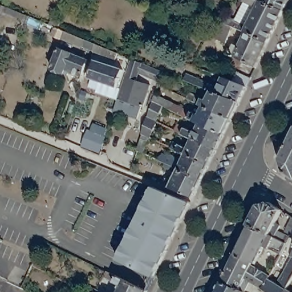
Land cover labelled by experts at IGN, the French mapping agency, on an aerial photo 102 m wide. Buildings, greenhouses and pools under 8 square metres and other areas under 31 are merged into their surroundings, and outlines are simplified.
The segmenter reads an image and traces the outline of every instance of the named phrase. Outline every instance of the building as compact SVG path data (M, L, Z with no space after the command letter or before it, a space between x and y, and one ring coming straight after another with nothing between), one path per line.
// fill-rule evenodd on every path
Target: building
M99 127L94 124L86 135L80 137L80 147L84 151L98 155L103 154L100 144L104 144L104 125Z
M292 125L287 129L283 143L276 152L278 171L292 172Z
M124 279L109 276L106 271L104 278L97 278L97 284L91 286L90 292L147 292L132 286Z
M242 218L240 222L243 224L242 233L220 273L221 278L212 286L212 292L292 292L292 248L283 267L279 268L277 276L255 268L254 263L258 261L254 258L259 249L265 248L266 245L270 251L274 251L273 257L279 257L286 240L291 237L292 240L292 217L286 216L274 205L262 202L253 204L246 219Z
M187 202L148 187L115 250L113 261L116 265L136 271L140 276L152 277L164 261L165 254L177 234L178 226L185 220L186 212L182 211L182 208Z
M46 33L50 42L55 39L64 41L68 47L117 59L121 64L119 68L91 59L90 65L86 68L86 58L55 49L48 59L47 72L62 74L65 78L74 78L80 82L87 76L90 80L119 89L119 94L114 99L115 106L112 108L112 112L123 111L127 114L128 121L135 124L140 121L141 115L148 112L144 124L140 123L140 140L151 139L156 128L154 117L159 111L164 116L178 116L179 120L192 122L192 130L178 128L180 138L186 139L185 145L168 145L162 149L163 154L157 157L164 172L161 175L165 187L187 197L192 193L196 181L201 184L202 182L229 125L233 123L233 120L248 90L249 76L253 74L254 68L261 65L261 58L267 52L271 36L283 19L283 10L292 10L292 0L242 0L235 18L228 18L222 23L217 40L225 49L229 49L228 57L232 60L238 68L235 75L213 75L197 74L190 72L182 79L193 84L195 91L202 89L205 94L202 98L195 98L193 104L197 108L193 114L185 113L184 108L162 99L160 89L154 87L153 104L148 108L143 105L147 84L133 81L132 76L146 79L147 76L155 80L155 75L159 73L156 66L143 57L128 62L127 58L116 52L91 42L59 30L60 25L58 22L50 23L36 22L33 18L5 8L6 14L16 18L15 25L27 25Z

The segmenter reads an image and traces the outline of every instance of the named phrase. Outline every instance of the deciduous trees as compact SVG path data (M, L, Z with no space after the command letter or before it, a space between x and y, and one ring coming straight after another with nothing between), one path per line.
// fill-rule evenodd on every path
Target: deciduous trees
M23 109L19 115L13 113L13 121L26 130L39 132L46 121L43 119L43 113L36 113L34 109L32 112L26 112L26 109Z
M176 50L182 50L192 50L204 42L217 40L222 23L228 18L235 18L242 0L128 0L130 3L141 3L147 8L144 13L146 21L165 25L170 33L177 38Z
M206 184L202 182L201 184L202 194L206 198L221 200L224 195L222 184L214 184L213 181Z
M175 292L180 285L179 274L172 270L163 270L157 276L157 281L163 292Z
M17 55L22 55L26 49L25 35L29 31L27 25L15 25L13 29L17 35Z
M8 71L10 66L11 42L8 36L0 34L0 74Z
M265 129L271 135L276 135L285 129L289 120L282 112L273 111L265 116Z
M248 137L251 129L249 120L233 120L233 123L236 136Z
M97 15L99 0L56 0L55 8L48 7L47 17L50 23L58 22L60 25L65 22L64 18L70 15L76 18L76 21L91 24Z
M154 87L160 89L164 88L181 96L192 92L194 94L195 91L193 84L182 79L163 75L155 80Z
M263 78L275 81L281 72L281 65L267 62L261 65Z
M230 221L233 225L240 222L242 218L243 206L240 202L230 201L226 208L222 208L222 220Z
M114 40L97 38L91 42L116 52L127 58L128 62L143 57L140 56L140 51L146 46L146 42L141 41L139 34L135 33L122 34L121 39L115 36Z
M218 241L210 241L205 244L205 257L208 255L210 259L219 260L224 257L224 246Z
M238 68L232 60L227 63L219 62L217 56L205 57L208 72L213 75L235 75Z
M22 81L22 86L26 89L24 103L33 103L32 97L44 97L48 90L58 91L60 95L64 91L65 78L62 74L47 72L44 75L44 86L41 88L36 86L35 81Z
M31 265L39 266L46 271L49 278L54 277L56 271L50 268L51 253L38 246L34 246L34 250L30 251Z
M47 292L40 289L38 282L27 277L27 273L24 273L19 282L19 286L26 292Z
M123 130L127 127L128 121L127 114L123 111L112 112L107 113L107 122L104 125L104 144L108 144L109 137L112 136L112 127Z
M185 222L186 232L190 236L202 237L206 232L205 218L192 218Z

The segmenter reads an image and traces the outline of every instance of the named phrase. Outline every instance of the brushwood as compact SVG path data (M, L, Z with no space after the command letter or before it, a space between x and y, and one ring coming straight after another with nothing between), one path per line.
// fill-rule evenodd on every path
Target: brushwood
M56 248L59 261L64 262L68 277L75 273L70 262L71 255L75 257L76 253L44 237L40 238L38 246L51 253L51 249Z
M47 17L30 13L16 5L13 0L0 0L0 2L5 8L33 18L36 22L50 23Z
M197 68L197 74L213 75L208 72L205 57L201 55L204 42L192 50L182 50L185 54L184 60L186 65Z
M133 152L130 162L138 164L141 172L161 175L164 172L157 157L163 154L162 149L159 145L152 144L151 139L140 140L137 147L125 145L123 152Z
M73 227L76 234L79 233L94 203L94 198L90 196L86 202L81 202L82 210Z
M76 120L81 116L89 116L94 99L86 97L87 89L81 87L80 82L74 78L65 78L64 91L60 95L54 117L49 124L50 136L65 140L70 129L75 127Z
M89 31L65 22L60 25L59 30L91 42L97 38L114 40L115 36L115 33L109 30Z
M0 131L35 145L43 151L68 155L73 164L70 173L67 173L71 178L88 178L90 169L95 168L95 161L0 123Z

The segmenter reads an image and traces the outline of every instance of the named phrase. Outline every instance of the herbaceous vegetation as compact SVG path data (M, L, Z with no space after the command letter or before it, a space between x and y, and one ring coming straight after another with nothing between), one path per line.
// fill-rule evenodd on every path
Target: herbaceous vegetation
M184 108L185 113L193 114L197 108L193 104L195 98L202 98L205 94L202 89L195 91L194 94L192 92L181 96L164 88L160 89L162 99Z
M75 273L68 277L64 262L59 261L56 248L51 249L51 253L50 268L56 271L54 277L49 278L46 271L39 266L31 265L27 273L27 277L38 282L40 289L47 292L90 292L91 286L97 284L97 278L104 278L106 271L95 269L89 263L75 257L71 255L70 262Z
M100 98L94 120L91 120L94 124L99 127L104 125L107 122L107 113L112 112L112 108L105 105L108 97Z
M65 22L89 31L109 30L115 33L115 36L121 39L122 34L135 33L139 34L141 41L146 42L151 41L155 32L160 30L165 35L170 33L165 25L146 21L144 13L147 8L141 3L130 3L128 0L99 0L97 15L91 24L76 21L76 18L70 15L64 18Z
M16 5L30 13L47 17L48 7L55 8L56 0L13 0Z
M121 64L117 59L68 47L64 41L55 39L50 42L46 33L27 25L29 31L25 35L26 49L22 55L17 55L17 35L13 29L15 25L16 18L6 14L5 8L0 2L0 34L8 36L11 42L10 66L8 71L0 74L0 116L13 121L13 113L19 115L23 109L26 109L26 112L32 112L34 109L36 113L43 113L43 119L46 121L39 132L50 136L49 124L54 117L60 95L58 91L48 90L44 97L32 97L33 103L24 103L26 89L22 86L22 81L35 81L36 86L41 88L44 86L44 75L47 72L48 59L55 49L86 58L86 68L90 65L91 59L119 68Z
M186 65L184 60L178 64L176 71L169 70L164 65L156 66L159 73L155 75L155 80L163 75L182 79L190 72L197 74L197 68Z
M13 194L21 198L21 203L27 205L25 211L30 212L29 219L33 219L38 225L47 225L56 197L41 192L39 187L22 190L19 182L0 177L0 194Z
M225 49L217 40L204 42L201 55L205 57L217 56L219 62L227 63L232 60L228 57L229 49Z
M159 111L154 117L156 128L151 139L152 144L159 145L162 149L168 145L185 145L186 139L180 138L178 128L192 130L192 122L179 120L178 116L164 116Z

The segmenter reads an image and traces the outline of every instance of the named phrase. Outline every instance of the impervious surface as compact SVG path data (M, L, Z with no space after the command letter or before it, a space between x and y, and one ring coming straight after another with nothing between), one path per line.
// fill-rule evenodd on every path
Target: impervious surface
M261 65L267 62L281 65L281 72L275 81L263 78ZM94 120L100 98L108 97L105 105L112 108L115 106L114 99L119 94L119 89L90 80L87 76L80 82L81 87L87 89L86 97L94 99L89 116L81 116L76 120L75 127L70 129L65 140L50 136L39 132L26 130L13 121L0 116L0 123L95 161L95 168L90 169L88 178L71 178L67 173L70 173L73 164L68 155L43 151L35 145L0 131L0 177L19 182L22 190L39 187L41 192L56 197L47 225L38 225L33 219L29 219L30 212L25 211L27 205L21 203L21 198L13 194L0 194L0 292L26 292L19 286L19 282L24 273L27 273L31 265L30 251L34 250L34 246L38 246L40 238L44 237L76 253L75 257L89 263L95 269L106 271L109 276L124 279L132 286L147 292L163 292L157 281L157 276L163 270L172 270L179 274L180 285L175 292L212 292L212 286L221 278L220 273L242 233L243 224L240 222L233 225L230 221L222 220L222 208L226 208L230 201L240 202L243 206L242 218L246 219L253 204L262 202L274 205L286 216L292 217L292 172L278 171L276 152L283 143L287 129L292 125L292 10L283 10L283 19L271 36L267 52L261 58L261 65L254 68L253 74L249 76L248 90L233 120L249 120L251 129L248 137L236 136L233 123L229 125L202 182L206 184L213 181L214 184L222 184L224 195L221 200L206 198L202 194L201 184L196 181L192 193L187 197L165 187L161 175L141 172L138 164L130 162L133 152L123 152L125 145L137 147L140 140L140 123L144 124L148 112L141 115L140 121L135 124L128 121L127 127L123 130L112 127L112 136L109 137L108 144L104 144L100 144L103 154L98 155L84 151L80 147L80 137L86 135L94 124L91 120ZM289 120L285 129L276 135L271 135L265 129L265 116L273 111L282 112ZM165 254L164 261L152 277L140 276L136 271L116 265L113 261L115 250L148 187L187 202L182 208L182 211L186 212L185 220L178 226L177 234ZM81 202L86 202L90 196L94 198L94 203L79 233L76 234L73 227L82 210ZM192 218L205 218L206 232L202 237L190 236L186 232L185 222ZM205 257L205 244L210 241L218 241L224 246L224 257L219 260L210 259L208 255Z
M292 240L291 237L286 240L279 257L273 257L274 251L270 251L266 245L265 248L259 249L254 258L258 261L254 263L255 268L277 276L279 268L283 267L292 248Z
M154 87L155 80L147 76L146 79L132 76L133 81L147 84L143 105L148 108L153 104Z

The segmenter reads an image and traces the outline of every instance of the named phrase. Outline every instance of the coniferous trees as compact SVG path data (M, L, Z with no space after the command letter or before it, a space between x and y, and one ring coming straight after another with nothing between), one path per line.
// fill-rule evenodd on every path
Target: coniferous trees
M177 38L170 33L165 35L160 30L155 32L151 41L146 42L146 46L140 51L140 56L143 57L156 66L164 65L169 70L176 71L178 64L184 60L185 54L182 50L176 50Z

